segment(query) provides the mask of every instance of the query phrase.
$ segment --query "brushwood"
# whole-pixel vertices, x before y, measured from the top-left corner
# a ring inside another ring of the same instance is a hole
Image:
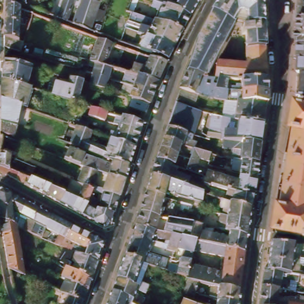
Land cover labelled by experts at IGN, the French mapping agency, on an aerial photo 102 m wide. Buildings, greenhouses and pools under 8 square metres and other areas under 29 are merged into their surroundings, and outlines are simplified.
[[[178,299],[180,293],[185,290],[186,281],[183,275],[166,271],[161,275],[152,274],[151,280],[154,285],[160,286],[161,292],[169,290],[173,297]]]
[[[50,298],[56,296],[56,289],[46,281],[38,280],[34,275],[25,274],[8,270],[7,266],[2,268],[0,262],[0,304],[50,304]]]
[[[163,215],[191,217],[197,221],[201,221],[204,215],[199,213],[197,208],[183,205],[175,207],[175,202],[171,199],[170,204],[163,208]]]

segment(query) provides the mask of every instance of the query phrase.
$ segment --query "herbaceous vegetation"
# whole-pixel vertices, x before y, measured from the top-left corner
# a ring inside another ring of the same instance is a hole
[[[25,274],[34,275],[38,280],[46,281],[56,289],[63,283],[63,268],[59,266],[56,256],[62,252],[63,247],[56,246],[55,242],[44,242],[28,233],[27,229],[19,234]]]
[[[46,17],[58,0],[34,0],[26,25],[26,36],[20,38],[27,45],[27,49],[20,47],[13,56],[26,59],[39,68],[38,77],[42,83],[38,88],[32,87],[32,102],[34,107],[49,110],[53,113],[52,116],[58,119],[71,120],[74,120],[75,119],[66,106],[65,99],[52,93],[53,83],[61,78],[59,72],[63,70],[66,62],[78,62],[82,59],[89,61],[90,56],[87,53],[87,46],[83,44],[83,36],[64,30],[58,21]]]
[[[121,34],[119,20],[128,11],[127,6],[132,4],[132,0],[114,0],[113,11],[101,25],[101,36],[115,44],[119,42]]]
[[[144,281],[148,284],[148,290],[145,292],[144,304],[177,304],[178,299],[173,297],[169,290],[161,292],[160,286],[154,285],[151,280],[152,274],[161,275],[166,271],[165,268],[156,265],[147,267]]]
[[[122,95],[123,91],[114,88],[113,85],[95,85],[94,81],[84,80],[82,97],[88,102],[85,112],[89,114],[90,107],[97,106],[116,114],[133,114],[139,119],[145,113],[129,107],[129,101]]]
[[[70,183],[78,179],[80,167],[66,161],[65,148],[58,146],[58,137],[64,134],[66,127],[62,123],[37,115],[31,115],[30,120],[25,120],[23,123],[27,131],[24,133],[24,140],[42,153],[43,157],[39,159],[46,165],[68,173]]]

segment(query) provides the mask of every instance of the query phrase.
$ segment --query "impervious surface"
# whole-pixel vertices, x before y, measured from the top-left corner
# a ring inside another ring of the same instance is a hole
[[[129,209],[137,205],[148,159],[156,142],[157,132],[153,129],[152,119],[163,119],[184,58],[189,56],[215,0],[196,0],[194,9],[191,9],[192,17],[186,20],[188,25],[180,27],[179,38],[173,44],[177,49],[175,56],[173,59],[167,59],[163,74],[154,76],[156,88],[152,88],[154,95],[148,104],[148,109],[153,113],[145,113],[139,119],[142,126],[138,145],[114,211],[113,224],[88,220],[78,211],[28,188],[13,173],[0,177],[0,186],[5,192],[11,192],[17,201],[36,210],[37,213],[50,217],[66,227],[77,226],[88,230],[103,241],[100,254],[104,258],[101,284],[99,290],[91,294],[91,304],[103,304],[104,286],[114,270],[122,235],[125,232],[125,226],[121,222],[132,220]]]
[[[222,59],[243,61],[246,58],[245,38],[234,37],[229,40],[220,56]]]
[[[75,119],[74,120],[76,125],[94,131],[96,129],[110,137],[109,123],[95,119],[89,114],[85,112]]]
[[[53,113],[49,110],[34,107],[32,102],[27,103],[30,109],[26,109],[25,120],[30,120],[31,115],[37,115],[62,123],[66,127],[71,120],[58,119],[52,116]]]
[[[258,179],[258,185],[248,185],[248,190],[255,192],[255,197],[252,203],[252,224],[249,226],[245,264],[237,268],[242,274],[241,304],[264,304],[261,291],[265,268],[268,265],[270,270],[274,270],[271,262],[273,239],[285,237],[304,245],[304,236],[272,228],[271,218],[273,203],[278,201],[278,191],[283,185],[285,156],[291,134],[287,118],[291,101],[285,97],[286,71],[289,69],[292,44],[289,27],[302,17],[303,12],[300,8],[304,6],[304,0],[266,0],[267,49],[274,53],[274,64],[268,65],[270,74],[267,76],[268,80],[271,80],[271,94],[268,96],[270,101],[255,100],[253,107],[254,116],[259,116],[260,120],[265,121],[265,131],[262,135],[264,146],[260,170],[251,173],[252,177]]]

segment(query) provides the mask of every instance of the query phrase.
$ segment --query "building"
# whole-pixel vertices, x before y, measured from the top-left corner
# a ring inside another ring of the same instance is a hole
[[[283,185],[278,191],[278,201],[273,203],[271,218],[272,228],[304,236],[304,6],[300,8],[303,12],[302,17],[289,27],[292,44],[289,69],[286,71],[285,97],[291,101],[287,118],[291,134],[285,156]]]
[[[62,252],[56,256],[59,266],[63,268],[63,283],[56,289],[56,296],[50,298],[50,304],[91,304],[91,294],[99,290],[101,284],[104,258],[100,254],[103,241],[88,230],[77,226],[66,227],[50,217],[37,213],[36,210],[17,201],[11,192],[5,192],[0,186],[0,262],[2,268],[7,266],[8,270],[25,274],[19,234],[27,229],[28,233],[44,242],[55,242],[56,246],[63,247]]]
[[[179,38],[180,27],[188,25],[186,20],[192,17],[191,9],[194,9],[196,0],[132,0],[132,4],[127,6],[128,11],[119,20],[121,34],[119,42],[115,44],[101,36],[101,25],[113,11],[114,0],[58,0],[46,17],[58,21],[64,30],[83,36],[83,44],[87,46],[87,53],[90,56],[89,61],[82,59],[78,62],[66,62],[63,70],[59,72],[61,78],[53,83],[52,93],[65,99],[82,97],[84,80],[94,81],[95,85],[113,85],[114,88],[123,91],[122,95],[129,101],[129,107],[145,113],[153,113],[148,109],[148,104],[154,95],[152,88],[156,88],[154,76],[163,74],[167,59],[173,59],[175,56],[177,49],[173,44]]]
[[[246,58],[243,61],[222,59],[220,56],[229,40],[234,37],[245,38]],[[165,268],[166,271],[183,275],[186,281],[185,290],[180,293],[178,299],[177,304],[241,304],[242,274],[237,268],[245,264],[249,226],[252,224],[252,203],[255,197],[255,192],[248,190],[248,185],[258,185],[258,179],[252,177],[251,173],[260,170],[264,146],[262,135],[265,131],[265,121],[260,120],[259,116],[254,116],[253,107],[255,100],[270,101],[268,96],[271,94],[271,80],[268,80],[267,76],[270,74],[268,65],[274,64],[274,53],[267,49],[266,0],[215,0],[189,56],[184,58],[163,119],[152,119],[153,129],[157,132],[156,142],[148,159],[137,205],[129,209],[132,220],[121,222],[125,226],[125,232],[122,235],[114,270],[104,286],[103,304],[144,304],[145,292],[148,290],[148,284],[144,281],[147,267],[156,265]],[[175,202],[175,207],[183,205],[197,208],[203,197],[217,198],[222,208],[221,213],[204,215],[201,221],[197,221],[191,217],[163,215],[163,208],[170,204],[171,199]]]
[[[304,245],[285,237],[273,239],[271,262],[274,270],[270,270],[268,265],[265,268],[261,291],[264,304],[304,304]]]
[[[66,161],[80,167],[78,179],[70,183],[68,173],[46,165],[39,159],[23,159],[19,156],[21,141],[24,140],[24,133],[27,131],[23,123],[25,120],[26,109],[30,109],[27,103],[32,102],[32,87],[38,88],[42,83],[38,77],[39,68],[26,59],[13,56],[20,47],[27,49],[27,45],[20,38],[26,36],[26,25],[34,0],[0,0],[0,177],[13,173],[28,188],[78,211],[88,220],[113,224],[114,211],[138,145],[142,126],[139,119],[133,114],[116,114],[97,106],[90,107],[89,114],[95,119],[109,123],[110,137],[96,129],[94,131],[76,125],[74,120],[71,120],[66,127],[64,134],[58,137],[58,146],[65,148]]]

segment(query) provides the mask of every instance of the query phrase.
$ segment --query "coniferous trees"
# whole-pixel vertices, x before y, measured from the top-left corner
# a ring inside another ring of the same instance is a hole
[[[66,106],[75,119],[85,112],[88,102],[82,97],[65,99]]]
[[[197,208],[199,213],[204,215],[221,213],[222,208],[217,198],[203,197]]]

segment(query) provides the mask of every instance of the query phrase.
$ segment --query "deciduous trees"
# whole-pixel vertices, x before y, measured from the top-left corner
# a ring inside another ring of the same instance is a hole
[[[23,159],[39,159],[43,157],[42,153],[24,140],[21,141],[19,156]]]

